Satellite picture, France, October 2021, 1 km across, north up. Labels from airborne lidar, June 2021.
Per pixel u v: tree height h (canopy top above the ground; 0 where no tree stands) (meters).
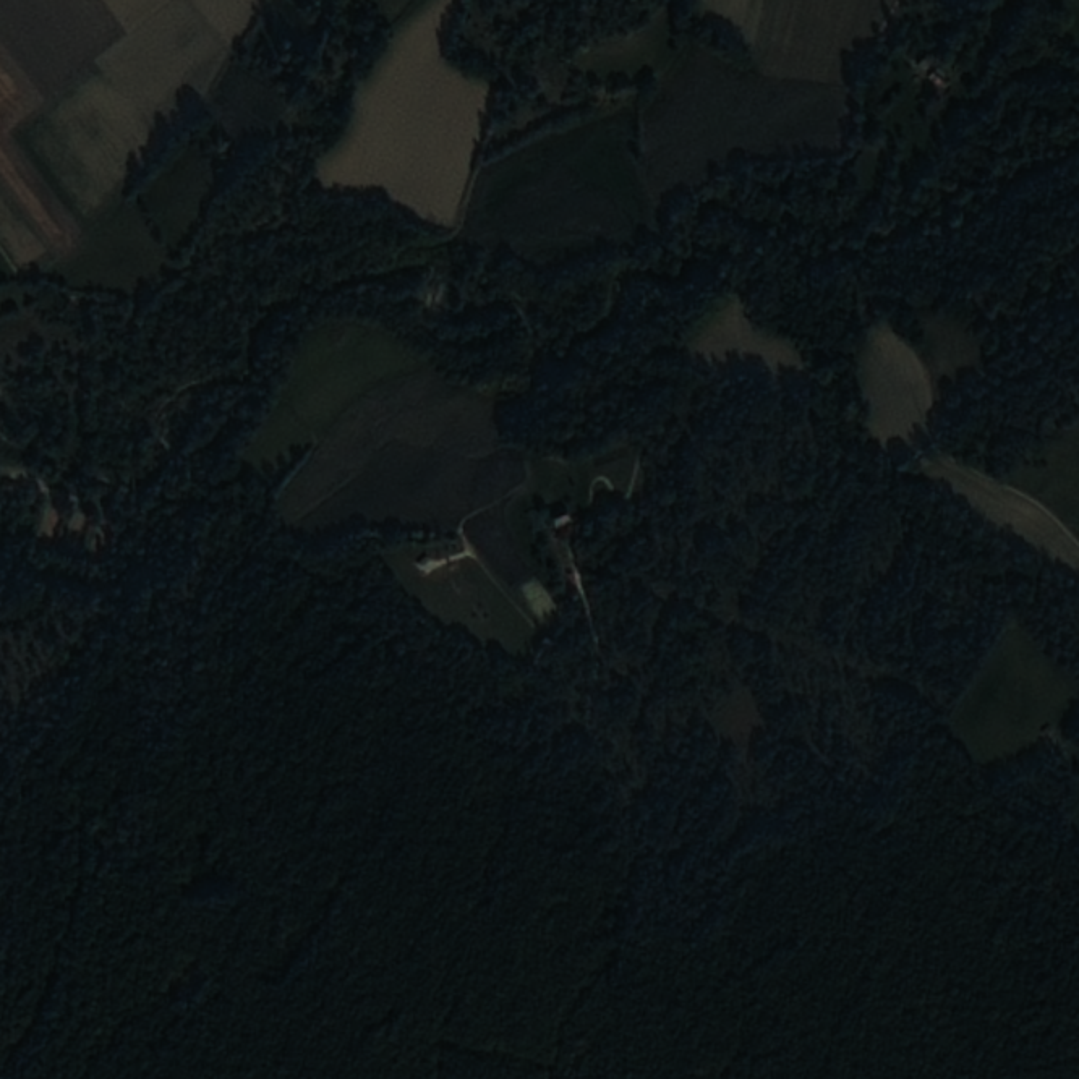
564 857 25
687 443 9
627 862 17
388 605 13
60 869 23
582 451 12
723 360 0
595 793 14
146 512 13
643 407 17
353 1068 23
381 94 0
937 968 23
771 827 9
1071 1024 24
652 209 0
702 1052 23
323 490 0
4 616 11
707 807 19
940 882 24
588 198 0
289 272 19
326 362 0
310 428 0
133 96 0
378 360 0
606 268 20
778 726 16
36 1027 19
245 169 16
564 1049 18
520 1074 11
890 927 23
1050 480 0
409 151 0
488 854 25
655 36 0
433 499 0
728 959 17
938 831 24
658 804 17
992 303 11
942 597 11
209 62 0
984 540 24
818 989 25
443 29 0
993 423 19
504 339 18
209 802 23
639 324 15
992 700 0
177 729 21
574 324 11
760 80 0
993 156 16
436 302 0
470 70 22
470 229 0
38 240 0
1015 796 15
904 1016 26
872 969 25
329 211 18
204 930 22
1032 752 0
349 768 20
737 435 10
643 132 14
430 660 17
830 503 17
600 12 14
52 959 18
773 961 23
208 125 16
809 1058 26
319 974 21
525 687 9
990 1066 25
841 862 23
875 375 0
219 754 21
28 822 24
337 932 24
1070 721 0
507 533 0
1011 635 0
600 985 20
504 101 15
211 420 15
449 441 0
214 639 20
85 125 0
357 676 25
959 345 0
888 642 20
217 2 0
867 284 17
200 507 16
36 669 7
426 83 0
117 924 22
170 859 21
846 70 0
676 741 11
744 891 20
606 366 18
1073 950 25
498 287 17
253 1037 23
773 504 8
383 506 0
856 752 10
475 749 25
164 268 0
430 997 22
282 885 21
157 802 23
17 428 14
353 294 8
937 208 14
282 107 0
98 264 0
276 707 22
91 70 0
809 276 19
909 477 10
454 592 0
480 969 22
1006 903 23
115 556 9
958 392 9
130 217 0
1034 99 23
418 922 24
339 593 21
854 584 10
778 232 8
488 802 22
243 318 13
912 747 18
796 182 17
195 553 9
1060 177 19
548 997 20
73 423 13
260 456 0
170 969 22
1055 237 17
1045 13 22
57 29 0
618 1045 22
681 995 24
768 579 12
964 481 0
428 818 24
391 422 0
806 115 0
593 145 0
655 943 20
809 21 0
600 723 11
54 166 0
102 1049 20
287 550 20
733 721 0
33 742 20
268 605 21
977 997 27
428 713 20
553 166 0
